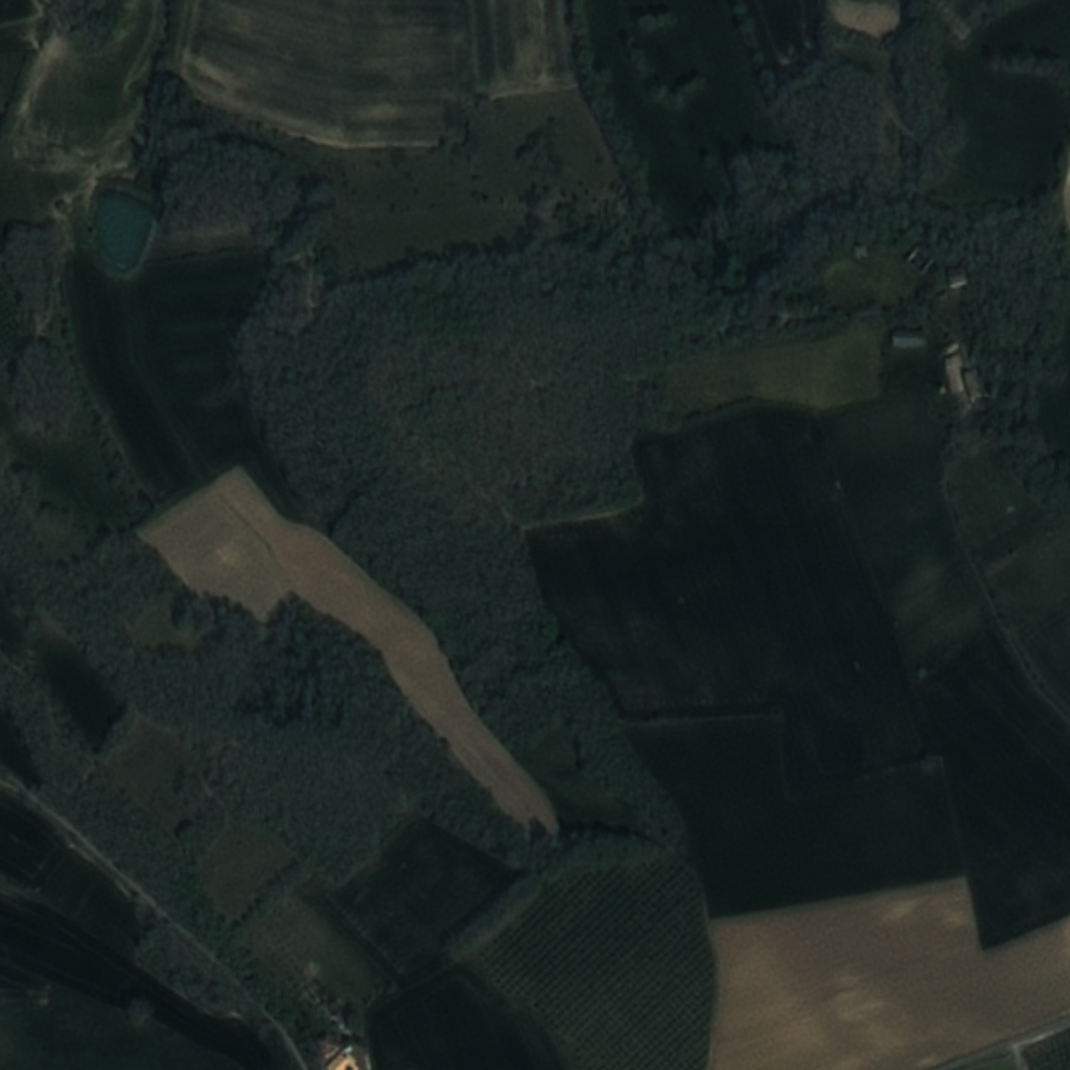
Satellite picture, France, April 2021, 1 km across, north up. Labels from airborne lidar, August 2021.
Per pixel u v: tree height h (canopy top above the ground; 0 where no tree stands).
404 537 17
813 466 0
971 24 0
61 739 9
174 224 20
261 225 20
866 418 0
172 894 16
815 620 0
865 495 0
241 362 23
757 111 0
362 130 0
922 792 0
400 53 0
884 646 0
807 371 0
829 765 0
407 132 0
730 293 10
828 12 16
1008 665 0
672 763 0
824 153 22
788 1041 0
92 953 0
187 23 0
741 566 0
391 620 0
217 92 0
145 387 0
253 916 12
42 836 0
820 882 0
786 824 0
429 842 0
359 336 7
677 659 0
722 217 22
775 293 16
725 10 0
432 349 9
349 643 19
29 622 8
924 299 7
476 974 0
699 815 0
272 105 0
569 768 0
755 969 0
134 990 0
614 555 0
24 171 0
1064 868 0
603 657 0
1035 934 0
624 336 14
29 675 7
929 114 24
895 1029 0
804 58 0
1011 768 0
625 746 6
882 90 23
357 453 15
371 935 0
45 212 0
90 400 7
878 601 0
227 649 25
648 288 24
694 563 0
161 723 13
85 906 0
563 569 0
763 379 0
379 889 0
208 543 0
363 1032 13
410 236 0
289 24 0
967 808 0
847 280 0
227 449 0
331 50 0
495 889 0
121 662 19
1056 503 19
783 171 13
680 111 12
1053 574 0
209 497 0
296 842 11
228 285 0
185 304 0
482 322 13
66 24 15
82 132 0
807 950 0
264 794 15
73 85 0
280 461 19
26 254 28
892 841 0
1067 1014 0
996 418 10
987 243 18
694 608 0
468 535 17
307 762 19
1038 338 20
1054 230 19
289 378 11
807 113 23
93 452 0
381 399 9
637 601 0
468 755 0
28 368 23
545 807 0
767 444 0
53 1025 0
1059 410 0
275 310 14
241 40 0
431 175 0
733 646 0
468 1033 0
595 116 15
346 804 18
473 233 0
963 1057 0
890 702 0
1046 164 0
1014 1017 0
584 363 14
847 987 0
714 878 0
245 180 22
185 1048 0
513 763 0
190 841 13
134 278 0
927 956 0
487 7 0
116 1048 0
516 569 21
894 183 13
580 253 20
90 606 22
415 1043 0
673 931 6
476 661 19
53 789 19
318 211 14
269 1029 15
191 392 0
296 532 0
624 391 15
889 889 0
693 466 0
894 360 0
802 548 0
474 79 0
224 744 11
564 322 15
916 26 20
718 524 0
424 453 11
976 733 0
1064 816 0
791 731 0
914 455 0
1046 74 13
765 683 0
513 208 0
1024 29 0
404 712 19
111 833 13
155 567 20
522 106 0
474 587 19
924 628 0
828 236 13
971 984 0
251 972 13
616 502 12
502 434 13
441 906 0
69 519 17
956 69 0
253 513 0
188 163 21
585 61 20
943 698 0
